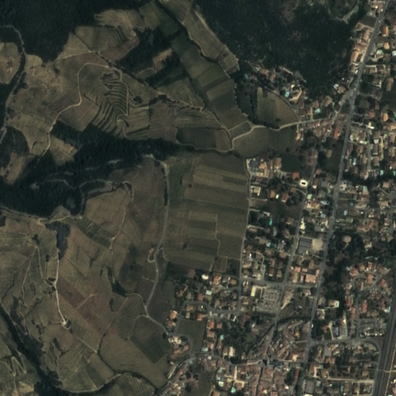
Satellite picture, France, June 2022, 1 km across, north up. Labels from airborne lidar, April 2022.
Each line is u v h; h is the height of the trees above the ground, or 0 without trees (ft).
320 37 23
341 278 23
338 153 0
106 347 0
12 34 30
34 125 0
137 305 0
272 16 24
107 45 0
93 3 52
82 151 48
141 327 0
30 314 0
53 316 0
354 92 0
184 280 24
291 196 37
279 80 24
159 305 0
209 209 0
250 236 32
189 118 0
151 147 35
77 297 0
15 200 25
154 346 0
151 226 0
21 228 0
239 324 24
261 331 0
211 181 0
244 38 19
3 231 0
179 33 26
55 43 26
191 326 0
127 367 0
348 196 0
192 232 0
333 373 26
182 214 0
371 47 0
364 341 0
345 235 44
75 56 0
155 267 0
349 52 39
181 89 0
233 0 24
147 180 0
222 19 23
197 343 0
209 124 0
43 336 0
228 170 0
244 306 0
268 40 22
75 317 0
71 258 0
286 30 20
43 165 43
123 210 0
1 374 0
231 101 0
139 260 0
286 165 0
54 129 22
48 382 40
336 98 22
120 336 0
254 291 0
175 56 46
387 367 0
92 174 33
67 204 46
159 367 0
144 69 0
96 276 0
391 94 0
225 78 0
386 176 38
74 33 27
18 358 19
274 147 0
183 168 0
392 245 51
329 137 19
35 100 0
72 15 33
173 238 0
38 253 0
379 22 0
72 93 0
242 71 36
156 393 41
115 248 0
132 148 39
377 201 36
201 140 0
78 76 0
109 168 33
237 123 0
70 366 0
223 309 20
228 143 0
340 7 32
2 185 33
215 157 0
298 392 36
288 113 0
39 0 27
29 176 42
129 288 0
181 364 0
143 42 49
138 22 0
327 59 21
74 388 0
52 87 0
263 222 43
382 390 0
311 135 42
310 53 22
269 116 0
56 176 25
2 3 27
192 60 0
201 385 0
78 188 31
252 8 23
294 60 22
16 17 29
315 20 20
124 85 0
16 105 0
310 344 0
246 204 0
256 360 0
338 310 31
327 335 0
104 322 0
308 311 0
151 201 0
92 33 0
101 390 40
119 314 0
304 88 20
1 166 21
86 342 0
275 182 34
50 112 0
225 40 21
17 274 0
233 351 0
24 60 17
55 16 21
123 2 56
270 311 0
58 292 0
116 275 0
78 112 0
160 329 0
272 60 29
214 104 0
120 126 0
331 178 0
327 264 37
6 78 0
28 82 0
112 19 0
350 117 0
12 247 0
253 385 0
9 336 0
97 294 0
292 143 0
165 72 54
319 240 0
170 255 0
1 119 35
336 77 23
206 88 0
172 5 0
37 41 20
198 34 0
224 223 0
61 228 43
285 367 0
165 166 0
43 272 0
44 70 0
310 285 0
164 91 0
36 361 44
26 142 22
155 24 0
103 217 0
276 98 0
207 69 0
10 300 0
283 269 18
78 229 0
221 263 0
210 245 0
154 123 0
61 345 0
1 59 0
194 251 0
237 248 0
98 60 0
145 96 0
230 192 0
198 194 0
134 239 0
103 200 0
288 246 37
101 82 0
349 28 29
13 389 0
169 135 0
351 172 52
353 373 32
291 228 22
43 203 46
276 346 0
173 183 0
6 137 25
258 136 0
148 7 0
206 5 26
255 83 28
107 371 0
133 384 0
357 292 31
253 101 45
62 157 0
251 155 0
